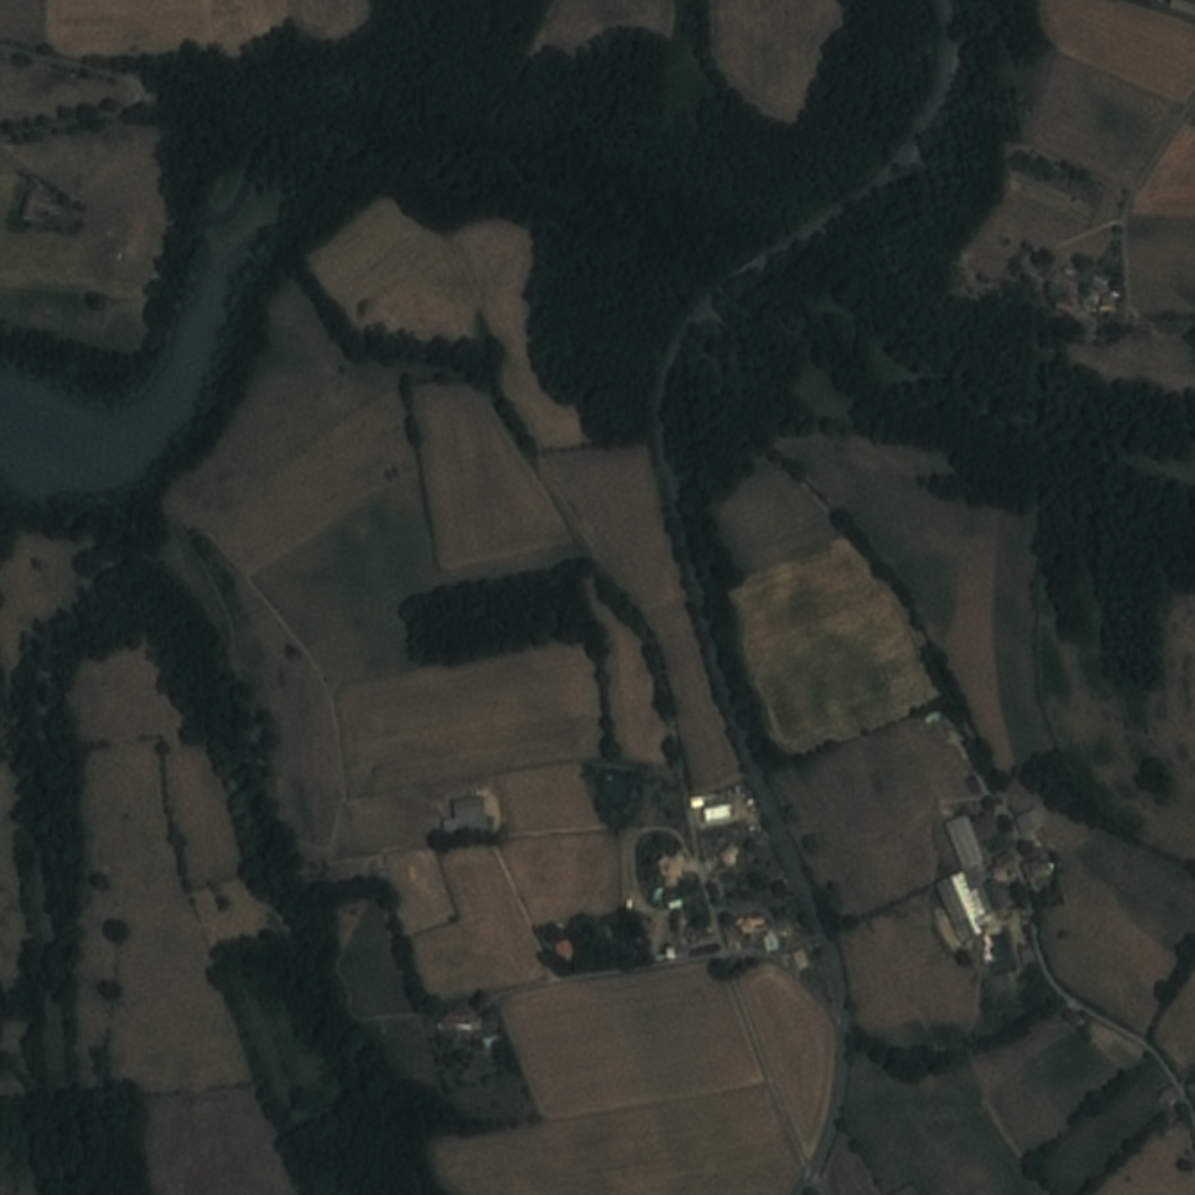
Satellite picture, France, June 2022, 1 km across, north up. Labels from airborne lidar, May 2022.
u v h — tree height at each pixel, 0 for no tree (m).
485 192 22
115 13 0
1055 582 16
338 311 16
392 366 23
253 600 0
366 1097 33
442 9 25
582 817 0
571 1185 0
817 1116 0
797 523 0
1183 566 19
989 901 0
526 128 17
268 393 0
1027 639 0
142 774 0
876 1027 0
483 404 0
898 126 23
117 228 0
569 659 0
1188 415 15
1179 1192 0
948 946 0
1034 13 13
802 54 0
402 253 0
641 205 24
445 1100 7
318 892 19
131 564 19
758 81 0
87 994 0
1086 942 0
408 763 0
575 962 13
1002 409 25
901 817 0
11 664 0
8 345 13
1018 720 0
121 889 0
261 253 19
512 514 0
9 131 18
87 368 11
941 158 14
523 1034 0
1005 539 0
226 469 0
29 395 0
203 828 0
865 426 13
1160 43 0
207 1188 0
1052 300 8
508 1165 0
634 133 15
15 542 9
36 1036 15
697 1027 0
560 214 21
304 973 14
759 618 0
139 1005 0
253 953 22
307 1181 12
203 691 17
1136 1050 0
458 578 0
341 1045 15
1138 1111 0
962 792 0
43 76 0
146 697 0
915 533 0
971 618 0
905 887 0
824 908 13
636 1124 0
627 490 0
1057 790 16
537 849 0
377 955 0
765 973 0
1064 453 29
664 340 21
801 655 0
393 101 22
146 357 13
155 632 16
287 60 24
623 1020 0
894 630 0
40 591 0
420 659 13
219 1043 0
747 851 7
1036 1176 13
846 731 0
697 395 23
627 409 20
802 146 15
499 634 18
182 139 17
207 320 0
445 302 0
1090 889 0
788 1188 0
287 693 0
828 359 12
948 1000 0
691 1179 0
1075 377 15
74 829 16
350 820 0
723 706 10
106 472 0
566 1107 0
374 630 0
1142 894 0
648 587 0
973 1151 0
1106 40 0
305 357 0
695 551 16
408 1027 0
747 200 18
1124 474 27
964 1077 0
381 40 18
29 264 0
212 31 0
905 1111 0
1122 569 16
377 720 0
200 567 0
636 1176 0
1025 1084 0
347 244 0
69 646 22
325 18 0
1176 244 0
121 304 0
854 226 16
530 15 14
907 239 17
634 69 21
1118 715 0
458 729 0
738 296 24
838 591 0
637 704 0
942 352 22
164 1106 0
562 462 0
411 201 20
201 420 15
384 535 0
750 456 16
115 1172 26
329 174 15
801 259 22
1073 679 0
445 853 17
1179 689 0
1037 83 0
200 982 0
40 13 0
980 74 16
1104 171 0
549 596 16
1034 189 0
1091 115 0
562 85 18
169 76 23
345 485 0
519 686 0
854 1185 0
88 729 0
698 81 0
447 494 0
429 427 0
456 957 0
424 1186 23
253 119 20
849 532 12
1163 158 0
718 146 20
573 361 12
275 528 0
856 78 17
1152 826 0
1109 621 8
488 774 0
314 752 0
